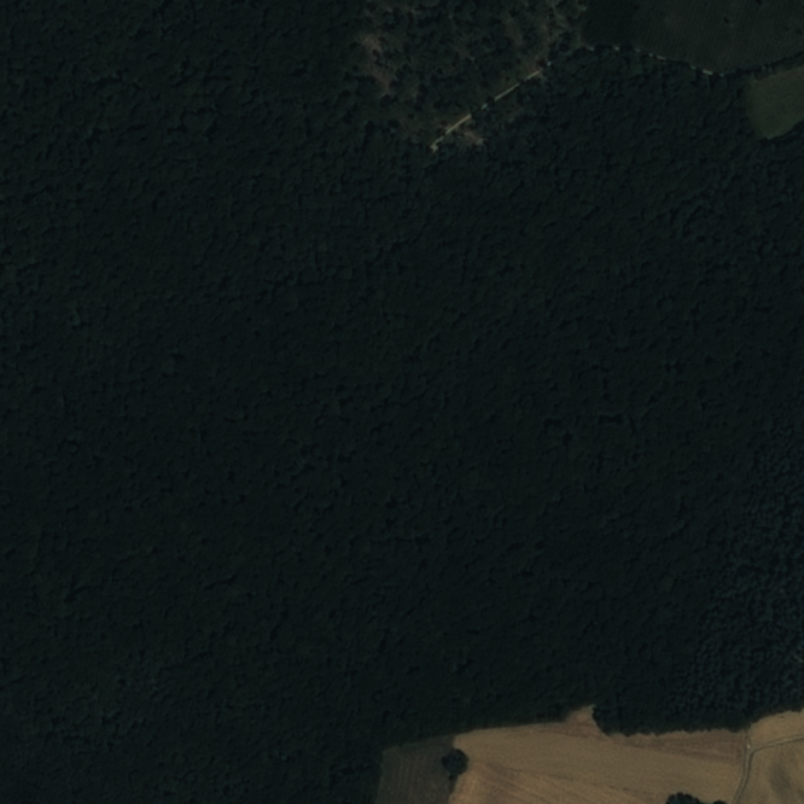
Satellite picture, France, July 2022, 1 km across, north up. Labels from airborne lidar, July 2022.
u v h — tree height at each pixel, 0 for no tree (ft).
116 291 74
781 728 0
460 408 101
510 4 83
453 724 58
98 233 91
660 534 78
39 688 85
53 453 93
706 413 82
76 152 88
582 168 90
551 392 101
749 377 89
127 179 93
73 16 69
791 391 96
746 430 92
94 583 91
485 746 0
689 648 96
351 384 104
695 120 87
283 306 107
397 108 84
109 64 71
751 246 81
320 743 88
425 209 80
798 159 76
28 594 93
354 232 76
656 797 0
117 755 82
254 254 79
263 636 97
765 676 86
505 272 23
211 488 112
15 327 83
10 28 84
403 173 28
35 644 91
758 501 97
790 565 41
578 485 93
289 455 94
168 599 93
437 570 95
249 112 87
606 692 100
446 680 99
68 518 100
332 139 88
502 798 0
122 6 78
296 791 80
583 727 0
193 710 78
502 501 80
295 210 82
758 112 0
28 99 94
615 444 99
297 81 80
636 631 97
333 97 91
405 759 0
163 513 98
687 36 0
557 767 0
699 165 80
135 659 82
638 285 81
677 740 0
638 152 87
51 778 75
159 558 97
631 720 90
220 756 85
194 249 90
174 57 80
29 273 70
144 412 91
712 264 64
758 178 75
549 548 88
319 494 105
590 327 104
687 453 95
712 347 103
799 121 0
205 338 102
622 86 75
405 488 94
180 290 68
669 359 93
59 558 95
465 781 0
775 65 38
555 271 72
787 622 108
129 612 97
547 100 92
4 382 92
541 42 84
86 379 102
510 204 91
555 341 97
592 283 93
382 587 73
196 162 65
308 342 99
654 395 84
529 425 108
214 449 98
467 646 106
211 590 91
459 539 74
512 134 86
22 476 104
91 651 81
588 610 100
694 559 97
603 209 78
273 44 96
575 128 91
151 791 86
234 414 99
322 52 78
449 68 63
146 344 84
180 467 106
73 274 65
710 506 85
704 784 0
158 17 72
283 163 91
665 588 93
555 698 82
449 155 83
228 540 93
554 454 105
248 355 98
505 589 110
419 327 108
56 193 90
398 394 94
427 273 88
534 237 103
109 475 105
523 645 95
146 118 81
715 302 96
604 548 73
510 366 94
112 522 96
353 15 84
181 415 93
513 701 97
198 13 66
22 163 79
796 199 65
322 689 94
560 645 90
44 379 83
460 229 73
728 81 64
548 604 94
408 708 94
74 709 66
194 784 73
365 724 89
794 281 102
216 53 88
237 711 81
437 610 95
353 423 96
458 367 73
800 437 99
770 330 100
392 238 73
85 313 79
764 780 0
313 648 90
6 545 96
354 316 93
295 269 67
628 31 20
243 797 78
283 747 92
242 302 94
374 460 96
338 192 77
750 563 40
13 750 90
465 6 86
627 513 69
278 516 98
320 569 101
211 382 96
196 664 94
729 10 0
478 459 93
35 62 88
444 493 74
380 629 97
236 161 81
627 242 82
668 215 83
